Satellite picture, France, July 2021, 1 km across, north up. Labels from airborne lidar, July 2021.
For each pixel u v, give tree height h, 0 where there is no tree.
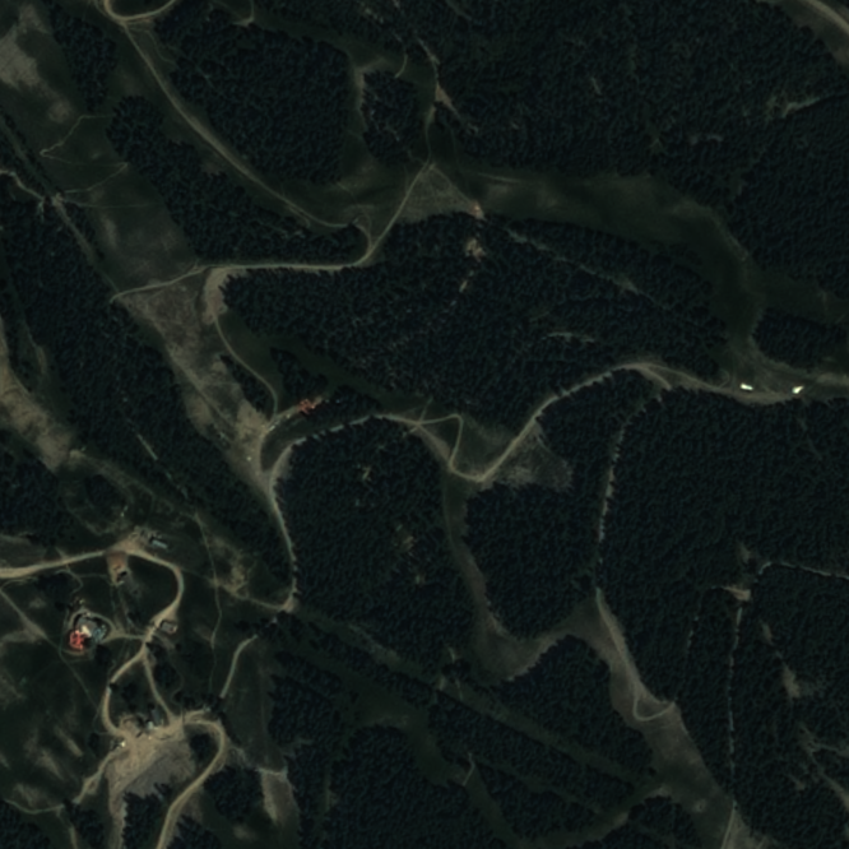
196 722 0
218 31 22
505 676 0
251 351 0
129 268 0
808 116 14
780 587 11
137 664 0
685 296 18
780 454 24
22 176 17
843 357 0
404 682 18
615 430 15
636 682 0
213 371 0
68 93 0
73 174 0
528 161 23
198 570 0
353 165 0
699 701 16
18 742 0
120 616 0
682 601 17
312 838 17
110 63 14
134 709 15
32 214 16
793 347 17
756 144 16
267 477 0
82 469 0
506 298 6
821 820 10
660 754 0
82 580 0
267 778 0
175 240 0
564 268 6
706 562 14
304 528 29
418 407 0
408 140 17
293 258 12
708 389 0
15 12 0
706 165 19
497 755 20
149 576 0
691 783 0
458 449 0
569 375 18
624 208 0
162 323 0
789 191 19
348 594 22
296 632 17
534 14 10
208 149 0
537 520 23
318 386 25
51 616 0
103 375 25
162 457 18
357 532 22
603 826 0
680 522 17
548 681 23
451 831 24
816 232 13
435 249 22
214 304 0
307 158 16
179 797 0
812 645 11
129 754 0
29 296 18
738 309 0
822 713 7
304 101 20
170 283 0
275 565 21
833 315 0
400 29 25
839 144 11
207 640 0
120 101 0
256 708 0
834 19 0
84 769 0
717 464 20
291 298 19
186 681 0
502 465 0
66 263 12
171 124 0
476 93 10
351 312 11
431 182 0
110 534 0
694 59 11
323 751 11
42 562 0
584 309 22
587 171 22
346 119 17
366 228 0
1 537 0
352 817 15
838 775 7
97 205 0
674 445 13
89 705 0
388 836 24
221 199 11
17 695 0
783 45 20
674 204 0
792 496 18
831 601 16
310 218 0
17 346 9
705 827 0
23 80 0
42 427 0
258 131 8
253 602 0
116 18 0
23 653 0
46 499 18
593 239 19
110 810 0
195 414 0
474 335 26
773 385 0
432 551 26
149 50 0
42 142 0
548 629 17
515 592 7
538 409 0
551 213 0
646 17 26
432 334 27
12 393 0
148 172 14
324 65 26
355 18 22
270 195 0
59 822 0
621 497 14
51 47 0
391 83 12
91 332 12
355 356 25
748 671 16
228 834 0
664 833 15
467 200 0
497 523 14
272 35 21
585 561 22
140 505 0
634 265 26
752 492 24
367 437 23
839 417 18
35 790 0
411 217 0
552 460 0
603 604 0
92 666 0
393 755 18
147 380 28
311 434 0
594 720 22
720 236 0
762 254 18
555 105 32
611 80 28
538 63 23
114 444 22
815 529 18
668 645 21
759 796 14
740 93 14
